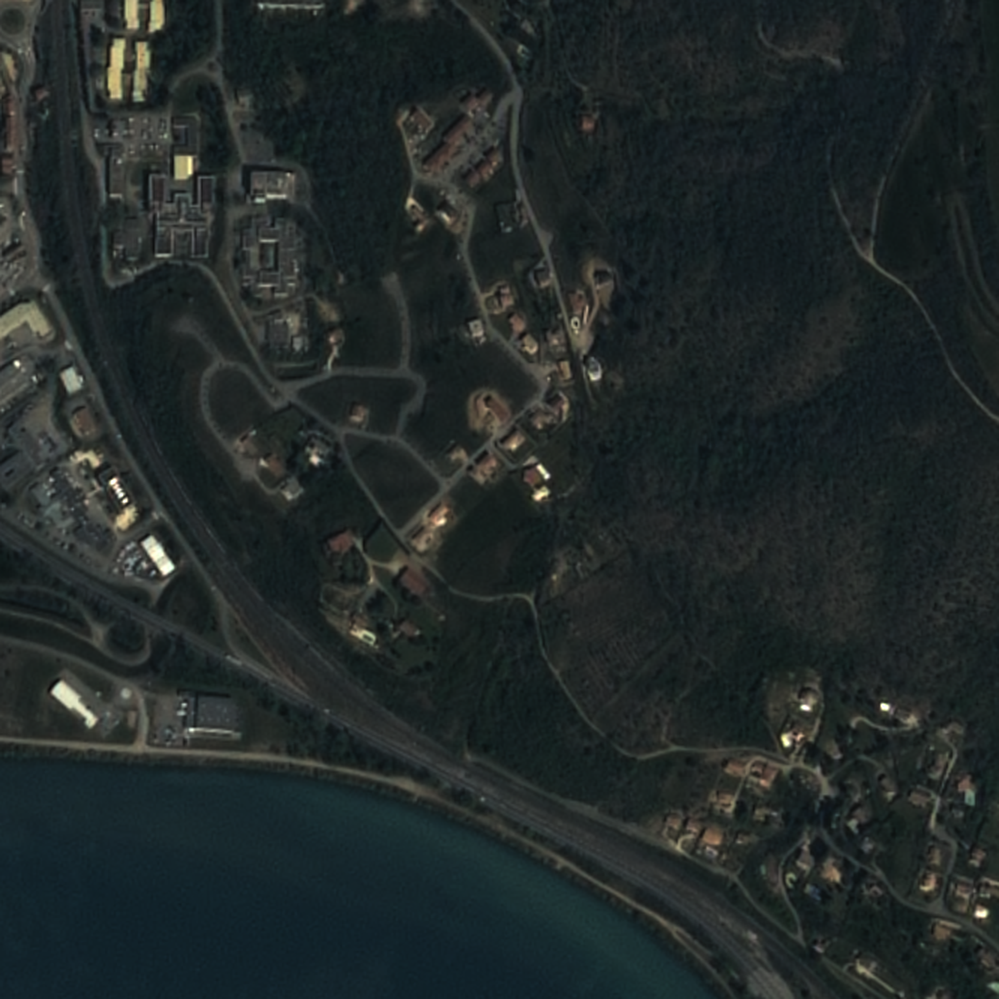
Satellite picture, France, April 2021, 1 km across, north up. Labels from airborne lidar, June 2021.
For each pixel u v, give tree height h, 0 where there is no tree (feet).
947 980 39
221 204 68
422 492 0
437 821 0
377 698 17
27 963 0
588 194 19
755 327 20
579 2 26
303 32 35
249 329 0
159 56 24
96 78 40
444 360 34
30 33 0
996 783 20
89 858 0
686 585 36
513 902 0
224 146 62
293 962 0
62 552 0
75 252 25
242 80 45
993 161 0
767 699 47
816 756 62
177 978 0
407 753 0
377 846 0
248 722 0
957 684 23
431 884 0
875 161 22
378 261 42
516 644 39
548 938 0
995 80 0
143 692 0
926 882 0
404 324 0
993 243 36
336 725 0
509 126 0
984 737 42
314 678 0
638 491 30
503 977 0
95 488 0
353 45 35
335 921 0
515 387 0
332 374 0
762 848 34
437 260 0
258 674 0
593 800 0
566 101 32
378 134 42
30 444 0
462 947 0
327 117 53
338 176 56
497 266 0
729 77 25
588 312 0
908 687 40
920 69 58
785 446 23
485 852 0
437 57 44
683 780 30
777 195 31
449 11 44
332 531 0
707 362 27
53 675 0
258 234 0
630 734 34
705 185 25
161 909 0
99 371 33
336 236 44
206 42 25
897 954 21
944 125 0
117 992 0
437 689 33
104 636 0
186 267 26
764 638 32
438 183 0
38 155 26
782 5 30
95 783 0
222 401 0
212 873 0
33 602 48
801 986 25
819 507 26
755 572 38
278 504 0
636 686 0
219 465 0
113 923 0
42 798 0
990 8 0
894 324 18
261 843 0
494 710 20
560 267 0
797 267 26
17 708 0
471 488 0
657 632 20
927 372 34
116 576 0
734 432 46
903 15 24
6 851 0
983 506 19
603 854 0
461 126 0
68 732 0
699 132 28
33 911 0
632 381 29
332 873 0
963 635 21
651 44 29
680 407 47
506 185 0
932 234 0
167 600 0
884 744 60
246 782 0
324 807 0
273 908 0
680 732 18
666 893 0
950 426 26
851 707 35
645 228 27
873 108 33
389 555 0
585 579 23
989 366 0
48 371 56
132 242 0
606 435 31
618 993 0
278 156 29
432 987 0
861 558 20
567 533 47
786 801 29
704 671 39
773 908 19
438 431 0
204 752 0
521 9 45
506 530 0
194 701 0
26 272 0
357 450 0
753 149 21
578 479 48
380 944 0
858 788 0
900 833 28
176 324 0
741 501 29
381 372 0
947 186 0
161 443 23
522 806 0
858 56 38
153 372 33
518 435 0
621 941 0
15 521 0
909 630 27
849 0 28
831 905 53
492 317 0
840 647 25
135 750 0
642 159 33
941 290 45
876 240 24
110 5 41
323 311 0
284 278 0
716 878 32
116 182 0
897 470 23
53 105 21
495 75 30
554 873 0
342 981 0
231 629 0
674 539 33
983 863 18
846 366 29
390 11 0
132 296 21
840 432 25
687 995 0
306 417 18
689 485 24
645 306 47
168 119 0
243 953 0
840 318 0
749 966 0
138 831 0
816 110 41
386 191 35
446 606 19
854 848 33
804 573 42
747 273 33
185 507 0
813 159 27
